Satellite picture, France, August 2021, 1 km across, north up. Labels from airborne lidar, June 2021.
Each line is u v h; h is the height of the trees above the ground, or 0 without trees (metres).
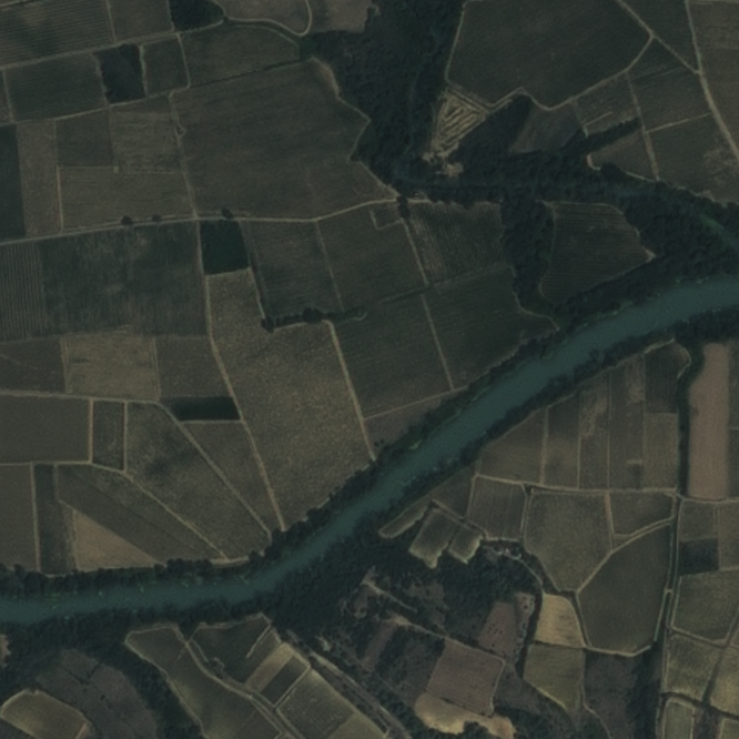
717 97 0
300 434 0
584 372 16
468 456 15
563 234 0
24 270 0
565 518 0
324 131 0
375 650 0
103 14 0
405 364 0
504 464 0
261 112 0
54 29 0
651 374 0
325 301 0
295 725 0
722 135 0
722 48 0
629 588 0
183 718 0
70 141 0
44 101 0
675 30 0
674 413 0
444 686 0
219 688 0
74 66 0
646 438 0
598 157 0
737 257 17
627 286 13
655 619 0
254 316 0
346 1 0
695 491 0
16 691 6
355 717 0
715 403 0
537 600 6
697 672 0
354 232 0
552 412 0
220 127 0
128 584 9
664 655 0
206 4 6
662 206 20
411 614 9
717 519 0
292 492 0
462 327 0
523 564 6
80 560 0
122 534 0
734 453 0
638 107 0
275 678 0
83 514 0
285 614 10
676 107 0
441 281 0
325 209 0
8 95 0
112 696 0
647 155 0
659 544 0
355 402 0
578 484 0
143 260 0
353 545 20
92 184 0
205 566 11
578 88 0
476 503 0
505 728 0
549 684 0
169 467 0
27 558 0
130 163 0
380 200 0
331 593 11
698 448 0
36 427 0
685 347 17
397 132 22
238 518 0
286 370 0
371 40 12
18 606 0
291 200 0
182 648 0
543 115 0
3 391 0
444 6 9
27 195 0
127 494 0
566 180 26
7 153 0
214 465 0
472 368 0
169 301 0
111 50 0
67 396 0
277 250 0
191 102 0
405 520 0
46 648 6
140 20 0
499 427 15
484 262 0
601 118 0
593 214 0
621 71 0
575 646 0
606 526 0
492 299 0
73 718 0
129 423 0
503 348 0
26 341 0
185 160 0
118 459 0
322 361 0
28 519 0
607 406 0
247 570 6
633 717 9
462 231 0
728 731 0
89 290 0
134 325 0
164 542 0
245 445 0
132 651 7
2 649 0
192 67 0
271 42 0
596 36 0
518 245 16
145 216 0
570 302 13
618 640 0
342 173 0
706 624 0
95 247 0
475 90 0
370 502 0
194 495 0
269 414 0
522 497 0
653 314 0
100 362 0
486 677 0
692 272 11
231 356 0
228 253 8
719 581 0
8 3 0
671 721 0
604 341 0
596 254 0
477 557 7
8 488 0
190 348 0
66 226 0
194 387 0
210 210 0
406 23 12
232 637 0
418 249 0
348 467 0
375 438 0
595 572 0
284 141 0
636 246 0
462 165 20
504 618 0
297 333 0
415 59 11
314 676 0
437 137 0
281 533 13
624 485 0
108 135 0
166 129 0
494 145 12
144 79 0
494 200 22
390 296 0
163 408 0
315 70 0
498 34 0
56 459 0
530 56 0
